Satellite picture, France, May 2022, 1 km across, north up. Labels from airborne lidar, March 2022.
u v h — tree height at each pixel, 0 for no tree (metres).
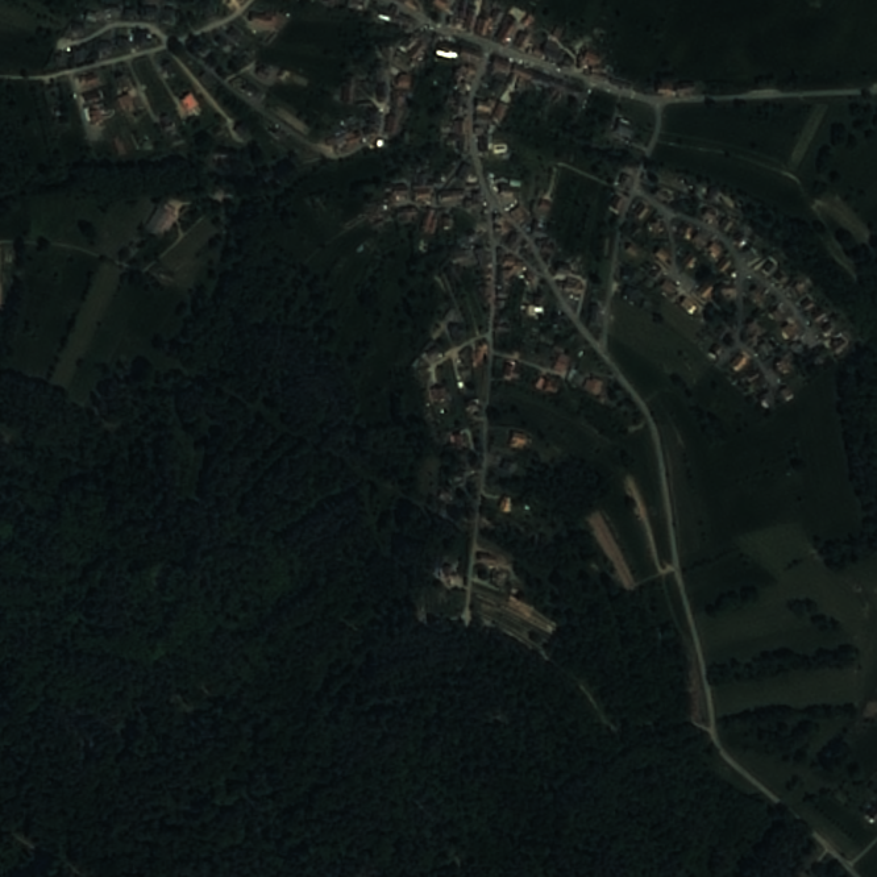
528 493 15
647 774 28
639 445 0
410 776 9
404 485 19
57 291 0
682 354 7
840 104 0
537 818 24
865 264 19
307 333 16
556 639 15
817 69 0
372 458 25
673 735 19
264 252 14
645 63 0
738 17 0
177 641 20
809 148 0
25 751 28
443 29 0
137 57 0
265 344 20
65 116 9
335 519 24
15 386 24
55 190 12
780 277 0
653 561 0
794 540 0
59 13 7
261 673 25
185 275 0
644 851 21
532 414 0
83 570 26
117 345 0
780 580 0
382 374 0
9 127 8
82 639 21
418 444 22
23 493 20
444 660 21
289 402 21
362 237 0
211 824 28
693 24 0
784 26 0
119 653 19
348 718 22
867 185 0
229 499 18
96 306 0
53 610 18
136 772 23
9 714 29
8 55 0
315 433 18
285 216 14
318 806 27
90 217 0
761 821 20
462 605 0
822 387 0
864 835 0
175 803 28
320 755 23
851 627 0
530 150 0
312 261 0
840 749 18
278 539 21
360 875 28
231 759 30
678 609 0
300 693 23
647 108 0
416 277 19
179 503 17
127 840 26
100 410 23
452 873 26
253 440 23
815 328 0
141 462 23
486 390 0
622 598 14
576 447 0
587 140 14
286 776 22
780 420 0
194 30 0
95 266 0
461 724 20
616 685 20
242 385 19
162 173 21
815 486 0
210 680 28
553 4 0
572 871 24
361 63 12
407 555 26
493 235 0
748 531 0
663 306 0
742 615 0
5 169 17
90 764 27
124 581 23
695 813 25
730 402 0
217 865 24
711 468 0
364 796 25
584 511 16
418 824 24
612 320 0
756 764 0
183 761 26
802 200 0
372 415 0
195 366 16
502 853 19
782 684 0
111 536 25
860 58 0
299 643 20
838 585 0
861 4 0
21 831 13
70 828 23
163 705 28
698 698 0
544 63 0
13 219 0
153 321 0
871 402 22
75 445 7
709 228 0
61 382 0
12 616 19
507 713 17
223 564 21
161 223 0
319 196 9
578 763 24
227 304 21
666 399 0
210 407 22
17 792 30
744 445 0
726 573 0
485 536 10
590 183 0
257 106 0
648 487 0
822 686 0
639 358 0
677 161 0
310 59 0
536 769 10
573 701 19
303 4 8
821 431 0
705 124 0
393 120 0
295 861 26
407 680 18
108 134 0
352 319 0
